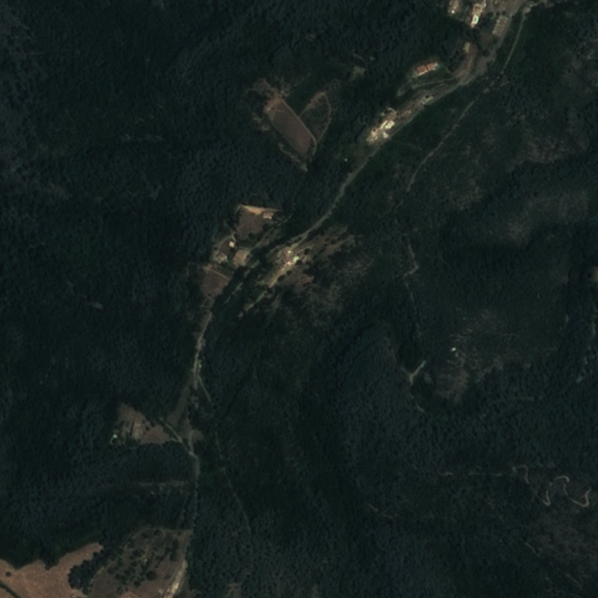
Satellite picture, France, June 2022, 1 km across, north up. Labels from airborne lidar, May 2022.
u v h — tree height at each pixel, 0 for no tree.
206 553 23
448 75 8
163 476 15
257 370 8
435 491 8
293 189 20
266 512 14
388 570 14
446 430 8
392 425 15
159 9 8
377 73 20
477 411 10
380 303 12
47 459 8
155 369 13
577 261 16
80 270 13
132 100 10
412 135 6
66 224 21
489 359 7
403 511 9
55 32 5
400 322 8
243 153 24
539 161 10
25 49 10
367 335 25
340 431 8
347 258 8
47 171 13
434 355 12
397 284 7
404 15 9
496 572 15
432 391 11
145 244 11
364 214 8
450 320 8
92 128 14
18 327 6
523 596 14
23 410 9
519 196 9
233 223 10
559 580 9
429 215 6
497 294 9
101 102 14
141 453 15
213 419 9
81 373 11
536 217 7
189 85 13
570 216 7
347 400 10
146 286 17
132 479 12
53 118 14
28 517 19
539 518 8
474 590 8
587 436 6
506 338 7
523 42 7
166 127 14
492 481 21
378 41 18
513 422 7
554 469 7
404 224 11
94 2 11
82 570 13
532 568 11
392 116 0
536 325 8
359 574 19
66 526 16
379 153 8
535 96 18
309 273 13
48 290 13
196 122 7
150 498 11
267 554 15
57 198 9
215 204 20
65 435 7
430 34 11
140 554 16
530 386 11
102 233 11
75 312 12
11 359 12
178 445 13
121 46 7
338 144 11
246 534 21
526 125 7
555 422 10
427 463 19
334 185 20
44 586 0
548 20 11
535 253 12
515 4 0
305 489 19
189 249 16
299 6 25
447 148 9
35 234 10
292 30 23
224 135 15
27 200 14
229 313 17
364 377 27
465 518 8
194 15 9
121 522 17
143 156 19
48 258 19
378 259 7
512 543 22
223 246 0
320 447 11
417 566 21
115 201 9
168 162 16
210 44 18
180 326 13
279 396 9
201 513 20
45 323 8
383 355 18
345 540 9
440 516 8
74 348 9
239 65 13
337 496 11
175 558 14
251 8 20
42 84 12
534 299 9
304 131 0
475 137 7
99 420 21
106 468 20
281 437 8
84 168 13
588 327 9
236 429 12
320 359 8
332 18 23
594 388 8
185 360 8
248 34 13
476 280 9
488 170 8
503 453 8
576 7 7
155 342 12
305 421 10
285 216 11
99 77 12
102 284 12
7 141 8
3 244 7
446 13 13
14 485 9
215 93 20
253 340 6
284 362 8
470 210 8
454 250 18
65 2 13
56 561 9
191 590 7
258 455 10
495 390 9
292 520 16
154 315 10
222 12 15
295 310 6
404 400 22
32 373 6
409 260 15
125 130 12
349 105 10
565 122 8
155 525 11
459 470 9
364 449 11
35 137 12
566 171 8
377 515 10
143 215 13
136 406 10
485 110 8
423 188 9
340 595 16
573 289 16
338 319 6
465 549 11
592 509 6
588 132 6
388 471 10
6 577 0
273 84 7
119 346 13
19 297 10
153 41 9
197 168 25
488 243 12
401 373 15
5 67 8
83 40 12
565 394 11
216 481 7
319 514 17
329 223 11
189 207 20
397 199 9
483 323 6
